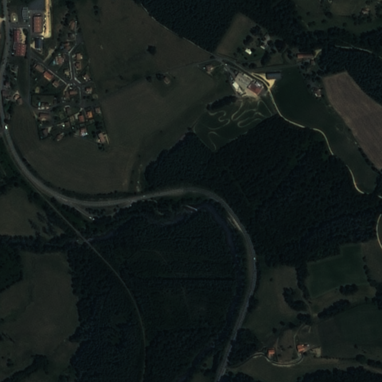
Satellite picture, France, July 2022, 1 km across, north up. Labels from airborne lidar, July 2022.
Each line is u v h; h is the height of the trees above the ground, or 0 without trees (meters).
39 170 0
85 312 23
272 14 16
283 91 0
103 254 9
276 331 19
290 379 0
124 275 23
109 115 0
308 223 15
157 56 0
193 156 19
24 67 0
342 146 0
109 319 21
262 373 0
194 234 21
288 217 18
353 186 14
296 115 0
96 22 0
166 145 0
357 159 0
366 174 0
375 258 0
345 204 24
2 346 0
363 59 23
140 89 0
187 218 13
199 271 11
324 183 17
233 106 0
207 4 23
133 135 0
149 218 28
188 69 0
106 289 15
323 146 15
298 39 23
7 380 14
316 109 0
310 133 17
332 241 23
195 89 0
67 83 0
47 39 0
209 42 20
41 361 19
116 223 22
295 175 25
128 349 34
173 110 0
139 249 16
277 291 0
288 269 0
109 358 30
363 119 0
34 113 0
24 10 0
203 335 13
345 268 0
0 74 0
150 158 0
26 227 0
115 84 0
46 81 0
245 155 9
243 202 18
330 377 23
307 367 0
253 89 0
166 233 20
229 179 16
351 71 17
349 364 0
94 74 0
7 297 0
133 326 30
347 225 26
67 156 0
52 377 0
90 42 0
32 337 0
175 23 17
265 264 0
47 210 33
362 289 0
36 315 0
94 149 0
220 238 21
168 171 21
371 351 0
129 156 0
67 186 0
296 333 0
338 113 0
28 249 18
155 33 0
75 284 17
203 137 0
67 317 0
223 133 0
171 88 0
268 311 0
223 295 11
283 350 8
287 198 28
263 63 21
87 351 28
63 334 0
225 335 24
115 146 0
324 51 19
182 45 0
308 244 31
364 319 0
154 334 8
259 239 17
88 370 28
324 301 0
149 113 0
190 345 17
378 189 16
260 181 17
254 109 0
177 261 7
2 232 0
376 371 0
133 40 0
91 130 0
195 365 13
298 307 22
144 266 11
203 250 17
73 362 24
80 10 0
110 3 0
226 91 0
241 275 20
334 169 14
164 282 23
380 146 0
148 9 19
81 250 18
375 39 20
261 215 21
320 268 0
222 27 20
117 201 0
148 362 16
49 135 9
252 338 22
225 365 0
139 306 20
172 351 21
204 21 19
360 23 10
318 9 0
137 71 0
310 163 18
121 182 0
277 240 24
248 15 8
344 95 0
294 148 14
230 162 9
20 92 0
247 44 11
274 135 16
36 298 0
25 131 0
